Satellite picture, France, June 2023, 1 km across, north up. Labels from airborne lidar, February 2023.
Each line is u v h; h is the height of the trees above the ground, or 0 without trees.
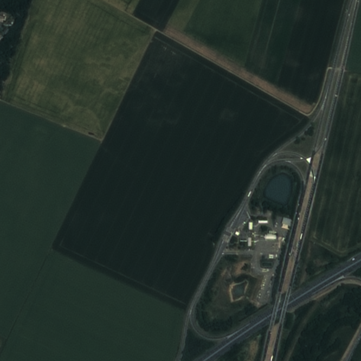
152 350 0
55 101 0
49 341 0
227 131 0
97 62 0
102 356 0
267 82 0
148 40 0
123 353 0
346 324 8
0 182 0
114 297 0
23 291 0
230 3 0
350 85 0
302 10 0
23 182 0
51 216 0
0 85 22
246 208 0
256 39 0
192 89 0
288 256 0
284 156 0
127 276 0
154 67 0
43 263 0
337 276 0
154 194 0
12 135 0
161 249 0
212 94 0
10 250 0
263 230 10
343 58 0
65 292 0
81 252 0
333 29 0
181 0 0
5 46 23
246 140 0
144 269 0
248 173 0
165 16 0
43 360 0
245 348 0
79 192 0
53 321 0
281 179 0
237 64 0
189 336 8
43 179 0
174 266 0
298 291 0
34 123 0
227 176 0
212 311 0
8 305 0
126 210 0
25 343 0
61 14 0
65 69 0
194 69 0
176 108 0
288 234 10
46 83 0
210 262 0
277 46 0
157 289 0
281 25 0
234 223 0
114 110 0
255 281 0
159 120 0
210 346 9
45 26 0
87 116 0
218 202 0
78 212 0
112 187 0
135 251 0
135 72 0
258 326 0
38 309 0
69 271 0
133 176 0
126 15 0
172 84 0
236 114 0
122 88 0
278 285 6
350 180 0
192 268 0
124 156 0
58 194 0
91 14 0
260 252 0
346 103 0
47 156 0
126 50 0
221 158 0
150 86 0
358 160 0
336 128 0
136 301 0
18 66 0
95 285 0
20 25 17
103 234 0
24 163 0
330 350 10
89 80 0
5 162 0
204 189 0
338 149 0
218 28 0
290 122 0
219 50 0
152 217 0
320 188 0
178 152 0
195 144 0
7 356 0
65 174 0
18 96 0
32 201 0
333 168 0
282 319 0
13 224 0
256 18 0
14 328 0
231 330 0
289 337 8
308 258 0
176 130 0
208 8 0
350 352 0
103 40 0
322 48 0
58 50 0
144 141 0
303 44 0
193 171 0
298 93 0
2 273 0
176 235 0
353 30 0
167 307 0
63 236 0
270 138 0
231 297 0
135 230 0
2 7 20
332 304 0
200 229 0
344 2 0
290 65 0
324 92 0
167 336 0
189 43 0
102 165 0
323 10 0
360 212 0
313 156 0
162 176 0
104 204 0
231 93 0
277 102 0
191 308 0
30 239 0
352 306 9
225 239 0
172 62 0
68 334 0
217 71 0
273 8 0
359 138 0
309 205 0
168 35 0
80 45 0
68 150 0
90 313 0
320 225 0
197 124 0
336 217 0
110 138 0
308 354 10
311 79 0
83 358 0
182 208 0
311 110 0
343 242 0
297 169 0
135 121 0
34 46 0
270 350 0
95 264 0
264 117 0
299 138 11
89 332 0
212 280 8
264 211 10
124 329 0
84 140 0
